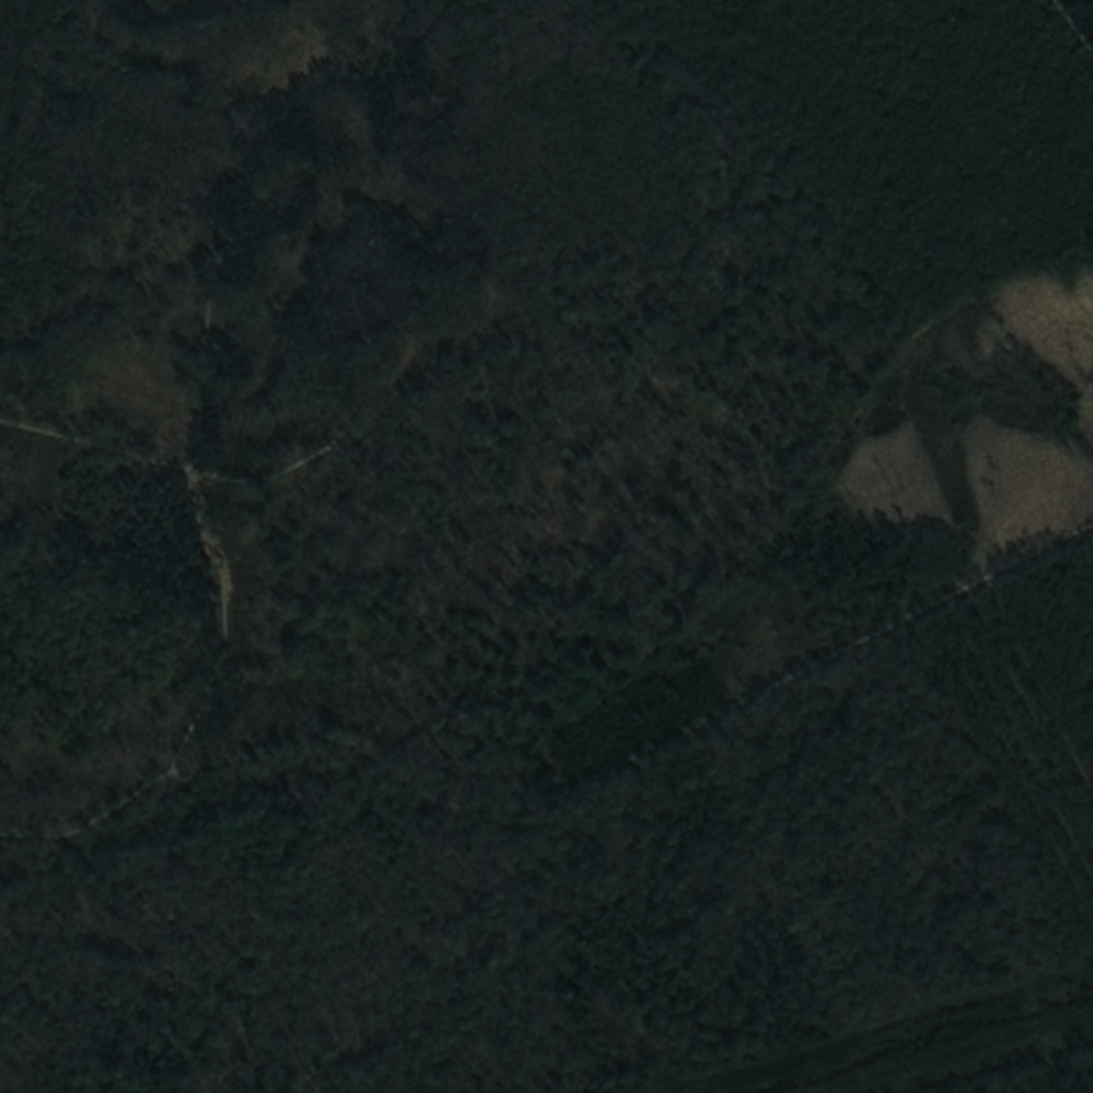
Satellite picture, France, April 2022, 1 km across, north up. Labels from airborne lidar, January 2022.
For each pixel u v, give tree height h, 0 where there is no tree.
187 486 29
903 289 16
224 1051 32
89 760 24
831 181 18
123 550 26
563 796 24
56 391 24
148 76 23
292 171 27
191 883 26
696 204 26
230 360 28
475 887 12
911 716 26
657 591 33
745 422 35
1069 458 0
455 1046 27
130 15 30
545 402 32
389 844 28
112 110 27
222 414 30
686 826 16
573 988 16
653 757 21
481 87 25
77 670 25
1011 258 17
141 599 24
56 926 27
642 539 36
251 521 24
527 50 31
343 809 26
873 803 30
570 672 29
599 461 36
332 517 28
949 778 31
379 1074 27
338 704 9
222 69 28
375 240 24
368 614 29
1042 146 15
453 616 13
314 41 0
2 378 19
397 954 30
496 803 25
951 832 24
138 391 28
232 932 32
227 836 26
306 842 24
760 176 28
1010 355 21
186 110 23
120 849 26
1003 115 15
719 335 32
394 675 34
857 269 29
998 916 21
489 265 24
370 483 32
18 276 14
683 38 21
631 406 37
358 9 27
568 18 31
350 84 28
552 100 19
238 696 27
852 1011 30
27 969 30
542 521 34
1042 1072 29
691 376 35
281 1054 29
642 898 23
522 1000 32
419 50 25
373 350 28
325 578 32
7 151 14
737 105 27
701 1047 28
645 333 31
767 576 13
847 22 19
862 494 0
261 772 30
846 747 29
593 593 27
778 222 29
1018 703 30
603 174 19
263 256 27
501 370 29
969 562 16
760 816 24
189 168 26
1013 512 0
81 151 23
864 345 31
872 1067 8
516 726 25
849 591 13
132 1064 28
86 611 22
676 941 21
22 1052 31
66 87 25
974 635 30
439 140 25
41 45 23
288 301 0
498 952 32
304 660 30
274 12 28
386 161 26
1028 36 16
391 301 24
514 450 32
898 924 28
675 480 0
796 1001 24
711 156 25
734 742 28
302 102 24
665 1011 21
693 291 33
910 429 0
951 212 20
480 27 23
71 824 24
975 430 0
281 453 23
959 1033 8
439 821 23
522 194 19
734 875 24
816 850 30
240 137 28
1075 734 22
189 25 26
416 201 0
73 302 21
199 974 32
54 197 13
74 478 8
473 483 34
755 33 22
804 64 19
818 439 29
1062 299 0
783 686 24
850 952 26
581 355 33
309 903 27
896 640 21
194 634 27
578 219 22
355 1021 29
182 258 0
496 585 27
